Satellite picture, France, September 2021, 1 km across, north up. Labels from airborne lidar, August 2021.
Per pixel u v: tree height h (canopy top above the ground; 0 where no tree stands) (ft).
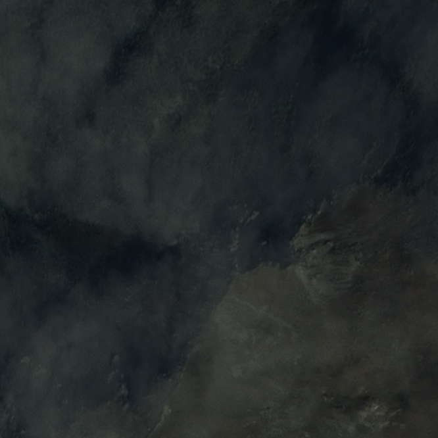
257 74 20
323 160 18
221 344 0
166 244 0
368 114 55
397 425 0
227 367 0
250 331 0
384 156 28
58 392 0
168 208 22
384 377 0
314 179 0
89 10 64
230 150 44
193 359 0
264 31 18
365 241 0
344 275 0
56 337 0
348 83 34
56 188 0
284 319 0
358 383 0
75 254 0
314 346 0
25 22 66
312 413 0
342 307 0
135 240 0
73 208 37
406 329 0
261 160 0
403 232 0
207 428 0
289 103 56
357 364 0
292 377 0
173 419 0
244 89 24
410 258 0
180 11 54
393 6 19
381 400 0
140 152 0
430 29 29
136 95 28
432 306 0
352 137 47
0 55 90
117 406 0
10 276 0
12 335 0
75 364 0
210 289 0
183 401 0
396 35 45
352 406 0
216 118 0
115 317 0
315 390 0
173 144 0
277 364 0
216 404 0
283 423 0
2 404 0
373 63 27
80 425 0
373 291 0
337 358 0
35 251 38
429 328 0
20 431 0
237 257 0
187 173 0
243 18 20
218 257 0
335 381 0
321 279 0
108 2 52
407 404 0
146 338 0
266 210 0
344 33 26
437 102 20
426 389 0
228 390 0
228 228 0
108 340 0
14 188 0
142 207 31
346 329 0
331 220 0
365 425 0
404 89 34
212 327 0
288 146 39
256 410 0
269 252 0
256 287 0
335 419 0
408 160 59
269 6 20
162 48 0
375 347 0
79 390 0
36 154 20
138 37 44
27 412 0
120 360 0
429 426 0
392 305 0
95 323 0
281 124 56
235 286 0
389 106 23
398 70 49
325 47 20
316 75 53
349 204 0
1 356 0
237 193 26
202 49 22
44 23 62
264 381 0
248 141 51
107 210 0
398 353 0
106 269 0
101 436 0
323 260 0
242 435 0
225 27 20
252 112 0
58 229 0
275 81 0
